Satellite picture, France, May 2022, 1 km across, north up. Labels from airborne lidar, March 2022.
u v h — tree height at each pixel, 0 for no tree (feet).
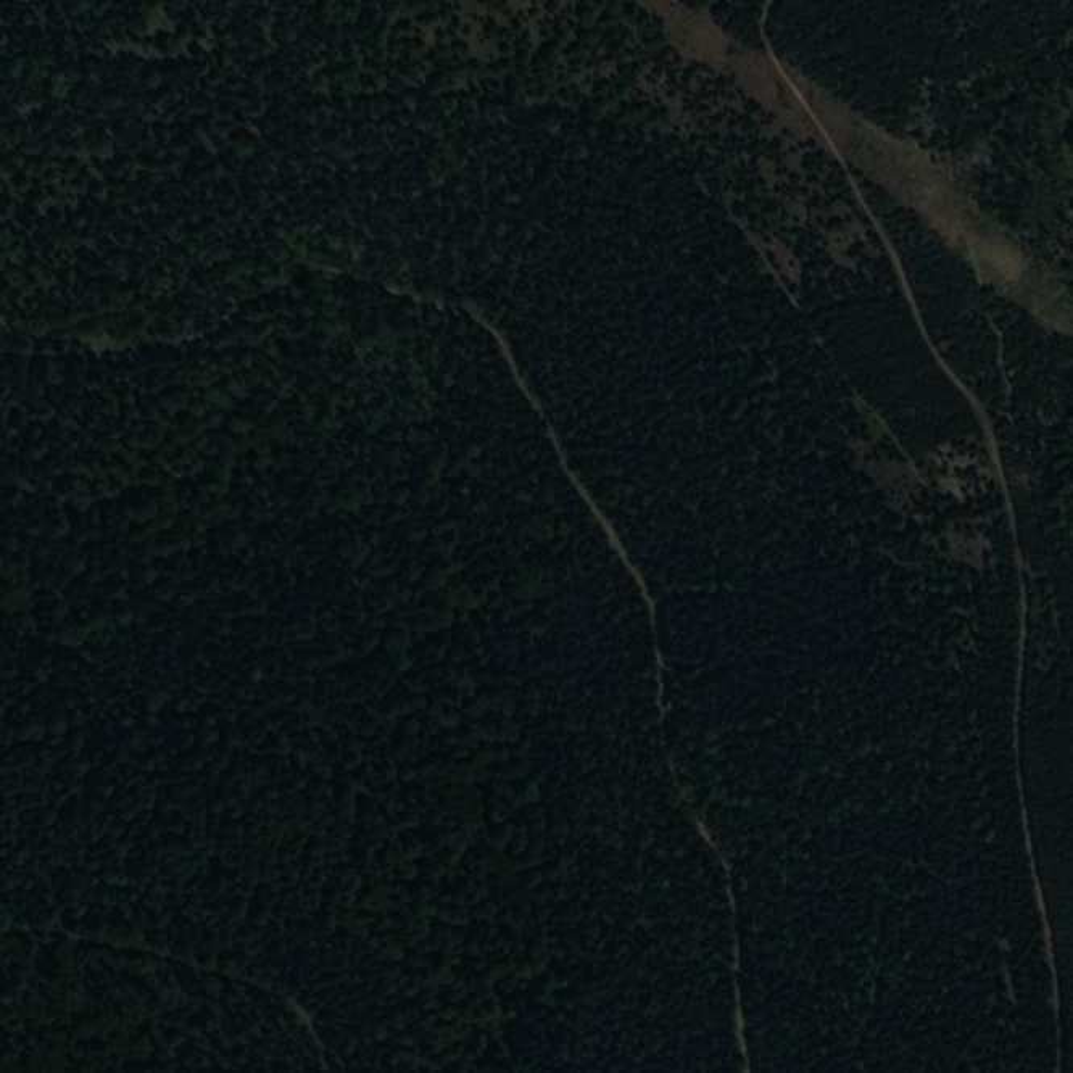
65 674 113
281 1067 123
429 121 87
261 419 115
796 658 69
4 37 65
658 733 90
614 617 67
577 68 36
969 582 24
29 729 118
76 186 60
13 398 83
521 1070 51
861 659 64
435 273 70
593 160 76
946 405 35
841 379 38
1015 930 45
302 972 105
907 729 72
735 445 87
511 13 61
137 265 103
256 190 115
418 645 122
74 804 120
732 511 85
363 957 129
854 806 73
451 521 119
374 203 87
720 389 65
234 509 119
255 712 78
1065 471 77
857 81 41
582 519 92
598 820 104
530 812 121
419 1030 108
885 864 63
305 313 98
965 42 28
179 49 77
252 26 94
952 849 60
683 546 46
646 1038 90
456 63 32
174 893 112
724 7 47
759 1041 60
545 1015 115
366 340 85
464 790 55
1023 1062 38
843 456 53
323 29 76
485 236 88
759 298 76
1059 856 43
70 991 103
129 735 110
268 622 98
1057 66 32
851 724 66
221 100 50
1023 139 62
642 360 71
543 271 72
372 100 77
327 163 42
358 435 91
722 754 74
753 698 80
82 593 118
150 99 94
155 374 94
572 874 103
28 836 113
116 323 29
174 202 104
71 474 97
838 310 45
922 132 43
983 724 50
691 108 34
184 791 116
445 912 109
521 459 107
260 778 121
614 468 85
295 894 120
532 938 94
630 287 43
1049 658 26
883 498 83
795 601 77
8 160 78
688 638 75
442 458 94
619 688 89
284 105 89
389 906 99
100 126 76
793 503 62
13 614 118
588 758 88
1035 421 25
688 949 73
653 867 88
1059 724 43
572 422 85
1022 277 0
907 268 37
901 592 62
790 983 71
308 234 73
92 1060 77
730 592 50
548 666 98
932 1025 74
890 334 40
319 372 101
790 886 52
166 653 89
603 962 77
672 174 81
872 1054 58
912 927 76
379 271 78
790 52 37
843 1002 67
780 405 104
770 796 60
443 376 77
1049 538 41
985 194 29
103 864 108
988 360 36
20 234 91
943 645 45
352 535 109
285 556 92
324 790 101
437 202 79
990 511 39
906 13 37
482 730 127
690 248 73
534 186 85
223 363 112
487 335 33
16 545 96
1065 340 31
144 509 125
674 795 81
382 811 70
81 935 37
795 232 28
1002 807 45
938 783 64
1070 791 40
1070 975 42
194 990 109
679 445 70
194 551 125
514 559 89
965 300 41
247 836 134
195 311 93
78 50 26
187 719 104
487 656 53
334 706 89
